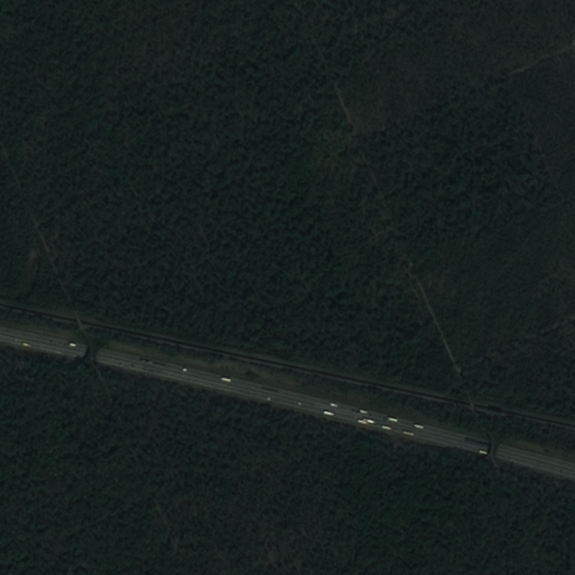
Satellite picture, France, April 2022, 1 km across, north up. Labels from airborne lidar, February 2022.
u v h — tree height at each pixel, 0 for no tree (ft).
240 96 67
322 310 61
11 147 35
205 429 48
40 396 63
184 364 0
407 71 30
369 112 41
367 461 45
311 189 62
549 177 47
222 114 65
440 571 44
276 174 60
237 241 63
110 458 56
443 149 56
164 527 52
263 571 41
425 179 52
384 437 19
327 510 42
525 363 24
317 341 53
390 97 22
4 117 38
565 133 24
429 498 61
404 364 57
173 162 46
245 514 35
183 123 72
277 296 66
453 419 33
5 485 53
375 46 56
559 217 36
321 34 66
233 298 69
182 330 22
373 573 46
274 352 34
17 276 23
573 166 23
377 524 54
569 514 52
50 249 42
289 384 0
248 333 65
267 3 34
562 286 31
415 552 57
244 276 60
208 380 0
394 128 50
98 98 62
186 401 40
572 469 0
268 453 53
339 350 65
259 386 0
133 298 68
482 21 30
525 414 0
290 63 56
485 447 0
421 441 0
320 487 43
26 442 47
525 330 44
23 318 26
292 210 58
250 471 48
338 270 64
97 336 27
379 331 60
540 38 33
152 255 57
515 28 31
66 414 58
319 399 0
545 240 35
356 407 0
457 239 54
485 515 54
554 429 22
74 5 58
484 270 30
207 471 49
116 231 53
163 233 57
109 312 36
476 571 45
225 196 53
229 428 55
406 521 60
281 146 53
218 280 54
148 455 57
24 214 27
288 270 70
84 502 48
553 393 23
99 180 42
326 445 49
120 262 54
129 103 62
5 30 54
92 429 52
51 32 49
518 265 34
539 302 32
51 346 0
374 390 35
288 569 50
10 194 24
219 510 26
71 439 58
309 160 60
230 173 71
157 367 0
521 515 59
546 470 0
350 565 51
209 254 60
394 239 61
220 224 52
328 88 53
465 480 67
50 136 21
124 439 49
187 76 59
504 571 49
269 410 28
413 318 77
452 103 46
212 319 42
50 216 31
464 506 55
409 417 0
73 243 66
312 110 64
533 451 0
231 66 59
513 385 29
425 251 37
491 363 53
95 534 57
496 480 61
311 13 63
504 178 23
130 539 61
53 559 50
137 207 33
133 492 53
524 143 61
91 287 34
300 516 49
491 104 60
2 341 0
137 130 59
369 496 56
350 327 69
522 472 20
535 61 19
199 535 52
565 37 24
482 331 30
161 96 61
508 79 51
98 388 40
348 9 59
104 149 51
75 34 55
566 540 61
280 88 60
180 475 62
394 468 45
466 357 30
